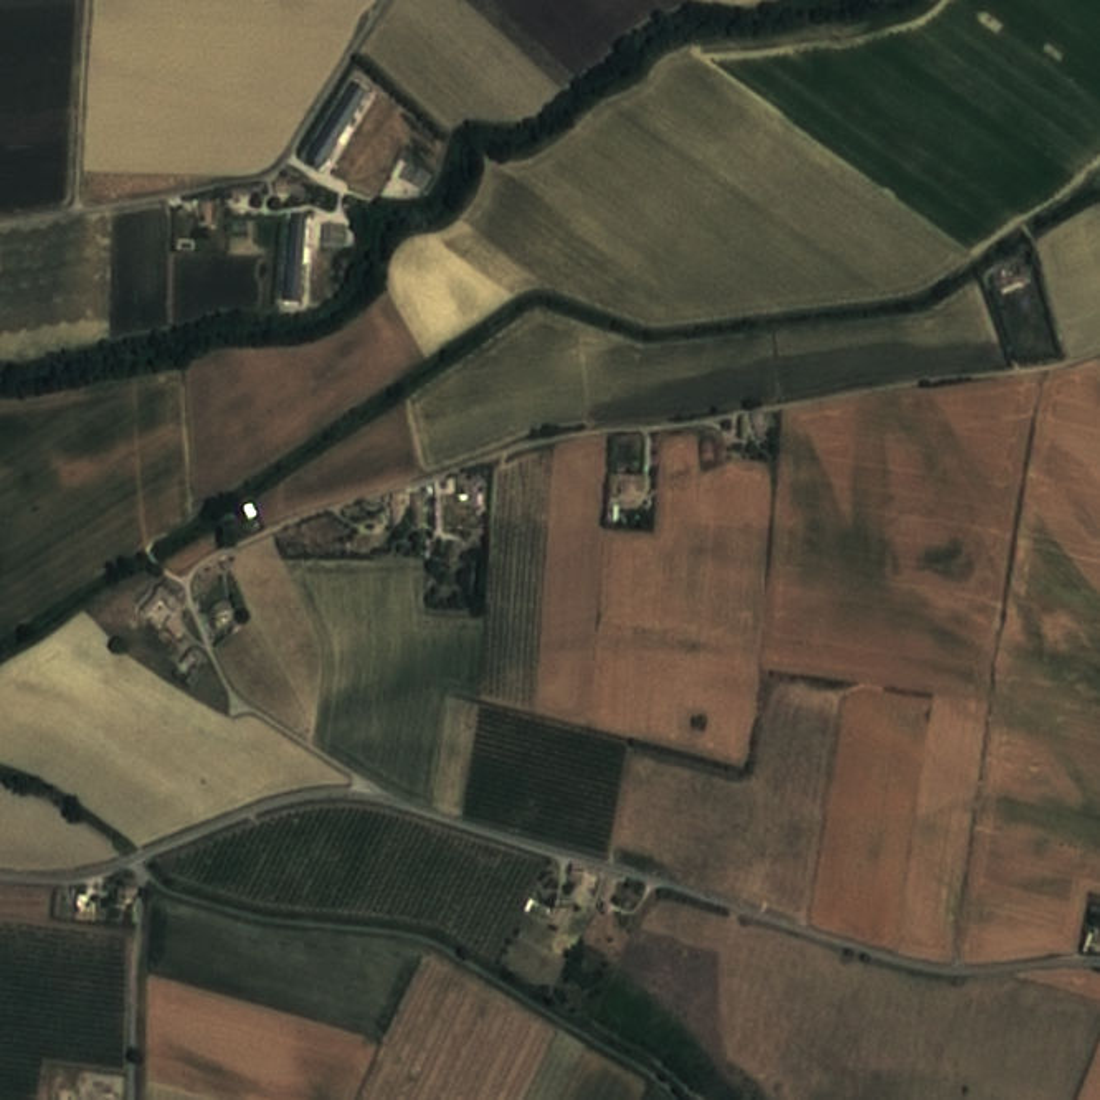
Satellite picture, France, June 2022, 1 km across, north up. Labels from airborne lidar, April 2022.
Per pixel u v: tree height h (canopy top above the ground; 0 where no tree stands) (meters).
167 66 0
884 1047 0
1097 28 0
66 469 0
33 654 0
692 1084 8
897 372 0
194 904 0
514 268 0
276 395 0
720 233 0
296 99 0
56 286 0
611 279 0
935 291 10
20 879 0
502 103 0
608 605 0
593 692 0
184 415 0
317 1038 0
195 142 0
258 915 0
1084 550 0
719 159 0
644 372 0
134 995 0
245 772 0
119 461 0
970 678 0
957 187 0
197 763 0
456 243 0
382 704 0
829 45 0
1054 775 0
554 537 0
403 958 0
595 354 0
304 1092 0
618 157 0
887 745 0
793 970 0
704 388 0
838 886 0
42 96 0
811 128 0
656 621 0
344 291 11
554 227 0
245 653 0
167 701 0
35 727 0
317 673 0
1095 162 0
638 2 0
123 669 0
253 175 0
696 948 0
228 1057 0
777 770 0
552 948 0
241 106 0
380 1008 0
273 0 0
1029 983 0
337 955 0
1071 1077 0
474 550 9
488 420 0
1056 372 0
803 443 0
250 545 0
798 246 0
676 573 0
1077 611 0
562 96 12
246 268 0
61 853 0
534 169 0
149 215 0
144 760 0
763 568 0
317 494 0
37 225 0
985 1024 0
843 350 0
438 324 0
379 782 0
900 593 0
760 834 0
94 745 0
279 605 0
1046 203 0
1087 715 0
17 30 0
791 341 0
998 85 0
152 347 12
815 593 0
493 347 0
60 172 0
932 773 0
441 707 0
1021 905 0
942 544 0
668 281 0
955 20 0
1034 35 0
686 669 0
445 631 0
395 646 0
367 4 0
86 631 0
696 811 0
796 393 0
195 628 0
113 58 0
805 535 0
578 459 0
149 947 0
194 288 0
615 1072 0
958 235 0
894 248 0
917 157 0
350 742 0
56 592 0
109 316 0
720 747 0
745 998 0
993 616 0
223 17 0
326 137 0
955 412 0
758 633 0
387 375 0
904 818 0
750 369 0
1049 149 0
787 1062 0
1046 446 0
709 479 0
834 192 0
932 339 0
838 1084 0
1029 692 0
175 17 0
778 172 0
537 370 0
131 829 0
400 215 18
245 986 0
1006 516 0
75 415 0
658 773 0
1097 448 0
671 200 0
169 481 0
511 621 0
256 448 0
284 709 0
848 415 0
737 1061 0
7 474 0
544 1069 0
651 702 0
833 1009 0
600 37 0
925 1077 0
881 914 0
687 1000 0
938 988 0
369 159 0
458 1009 0
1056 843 0
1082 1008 0
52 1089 0
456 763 0
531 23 0
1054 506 0
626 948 0
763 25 17
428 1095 0
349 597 0
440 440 0
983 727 0
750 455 7
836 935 0
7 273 0
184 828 0
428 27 0
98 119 0
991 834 0
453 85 0
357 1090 0
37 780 12
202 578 0
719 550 0
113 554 0
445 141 13
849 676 0
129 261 0
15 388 16
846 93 0
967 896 0
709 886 0
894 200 0
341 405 0
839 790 0
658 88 0
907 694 0
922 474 0
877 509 0
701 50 0
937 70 0
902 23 0
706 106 0
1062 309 0
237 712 0
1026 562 0
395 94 13
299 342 14
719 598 0
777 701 0
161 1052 0
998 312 7
